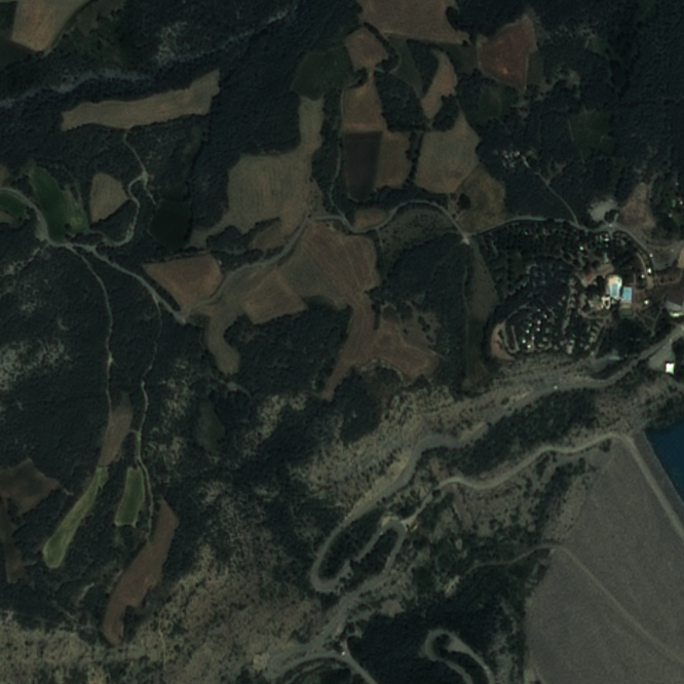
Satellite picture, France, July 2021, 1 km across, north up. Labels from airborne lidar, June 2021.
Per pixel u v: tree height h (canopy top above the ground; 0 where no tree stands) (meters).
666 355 0
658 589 0
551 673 0
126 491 0
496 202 0
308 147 0
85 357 6
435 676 14
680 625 0
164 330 10
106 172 7
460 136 0
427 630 9
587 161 8
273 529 7
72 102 11
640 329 8
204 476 6
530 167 8
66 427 8
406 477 0
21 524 6
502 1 19
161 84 7
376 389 0
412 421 0
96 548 7
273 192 0
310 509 9
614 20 11
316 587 0
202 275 0
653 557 0
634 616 0
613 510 0
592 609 0
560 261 8
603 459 0
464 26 9
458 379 8
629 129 6
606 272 0
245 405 12
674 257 0
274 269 0
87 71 10
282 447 10
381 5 0
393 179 0
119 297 8
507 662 0
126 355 6
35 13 0
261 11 9
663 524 0
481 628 10
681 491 0
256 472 17
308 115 0
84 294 9
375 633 10
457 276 7
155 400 8
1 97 11
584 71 12
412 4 0
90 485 0
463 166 0
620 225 0
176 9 9
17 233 7
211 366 10
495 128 9
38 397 7
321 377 7
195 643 0
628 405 0
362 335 0
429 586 12
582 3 8
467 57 0
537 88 9
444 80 0
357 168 0
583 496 0
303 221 0
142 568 0
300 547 10
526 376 0
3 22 0
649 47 9
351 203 10
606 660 0
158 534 0
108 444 0
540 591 0
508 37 0
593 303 0
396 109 6
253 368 9
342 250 0
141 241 10
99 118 0
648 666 0
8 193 0
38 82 9
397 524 0
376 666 12
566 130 10
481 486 0
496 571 6
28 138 10
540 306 10
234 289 0
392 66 7
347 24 10
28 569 6
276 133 6
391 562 0
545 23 10
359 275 0
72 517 0
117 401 6
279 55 10
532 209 5
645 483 0
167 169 9
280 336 8
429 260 7
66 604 6
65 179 7
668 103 11
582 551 0
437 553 10
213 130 11
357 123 0
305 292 0
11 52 0
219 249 6
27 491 0
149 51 6
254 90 10
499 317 8
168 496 7
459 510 0
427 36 0
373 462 0
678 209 8
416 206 6
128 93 9
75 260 6
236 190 0
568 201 6
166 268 0
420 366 0
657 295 0
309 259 0
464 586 7
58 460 8
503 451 7
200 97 0
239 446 6
